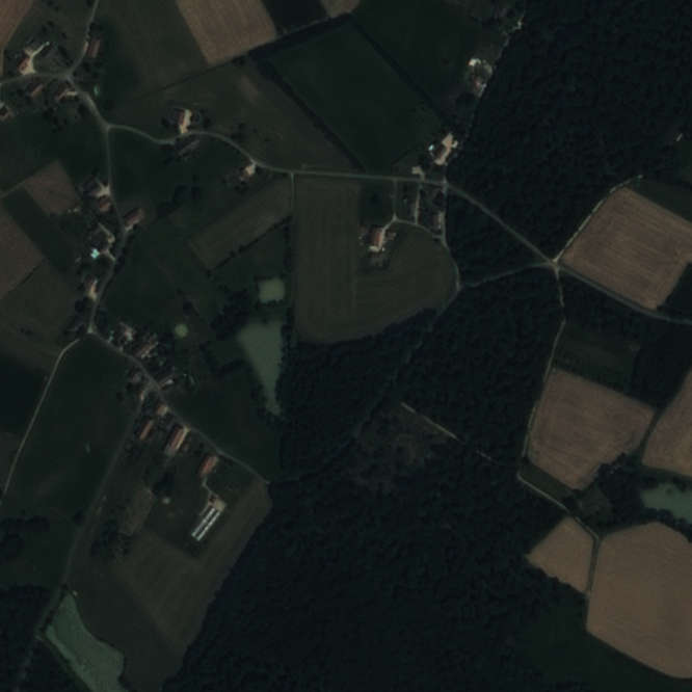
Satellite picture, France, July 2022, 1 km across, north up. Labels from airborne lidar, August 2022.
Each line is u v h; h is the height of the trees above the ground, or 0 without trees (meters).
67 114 0
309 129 0
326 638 25
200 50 0
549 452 0
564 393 0
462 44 0
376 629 24
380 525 18
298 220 0
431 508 23
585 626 0
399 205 0
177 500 0
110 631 0
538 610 25
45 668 8
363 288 0
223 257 0
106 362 0
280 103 0
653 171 11
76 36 0
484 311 22
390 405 14
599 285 0
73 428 0
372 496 27
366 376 16
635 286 0
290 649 27
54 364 0
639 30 31
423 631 22
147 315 0
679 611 0
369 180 0
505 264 14
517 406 22
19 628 24
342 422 15
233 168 0
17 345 0
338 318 0
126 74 0
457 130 17
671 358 10
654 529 0
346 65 0
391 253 0
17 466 0
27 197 0
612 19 28
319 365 16
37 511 0
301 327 0
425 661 26
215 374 14
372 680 26
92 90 0
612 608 0
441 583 26
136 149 0
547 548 0
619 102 29
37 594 17
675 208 0
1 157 0
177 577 0
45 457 0
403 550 22
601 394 0
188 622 0
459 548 26
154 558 0
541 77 24
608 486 14
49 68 0
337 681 25
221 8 0
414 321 13
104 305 0
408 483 23
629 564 0
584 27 20
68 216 0
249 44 0
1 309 0
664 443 0
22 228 0
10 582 0
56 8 6
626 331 24
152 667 0
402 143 0
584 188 16
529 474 0
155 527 0
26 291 0
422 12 0
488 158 18
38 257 0
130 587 0
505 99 16
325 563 28
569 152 19
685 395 0
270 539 22
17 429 0
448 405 23
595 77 24
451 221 11
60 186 0
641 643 0
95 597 0
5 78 0
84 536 0
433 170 13
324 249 0
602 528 9
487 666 24
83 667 0
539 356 22
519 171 21
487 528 16
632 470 12
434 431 0
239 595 25
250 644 29
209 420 0
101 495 0
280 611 25
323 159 0
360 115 0
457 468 24
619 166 25
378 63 0
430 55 0
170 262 0
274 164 0
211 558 0
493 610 26
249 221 0
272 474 0
